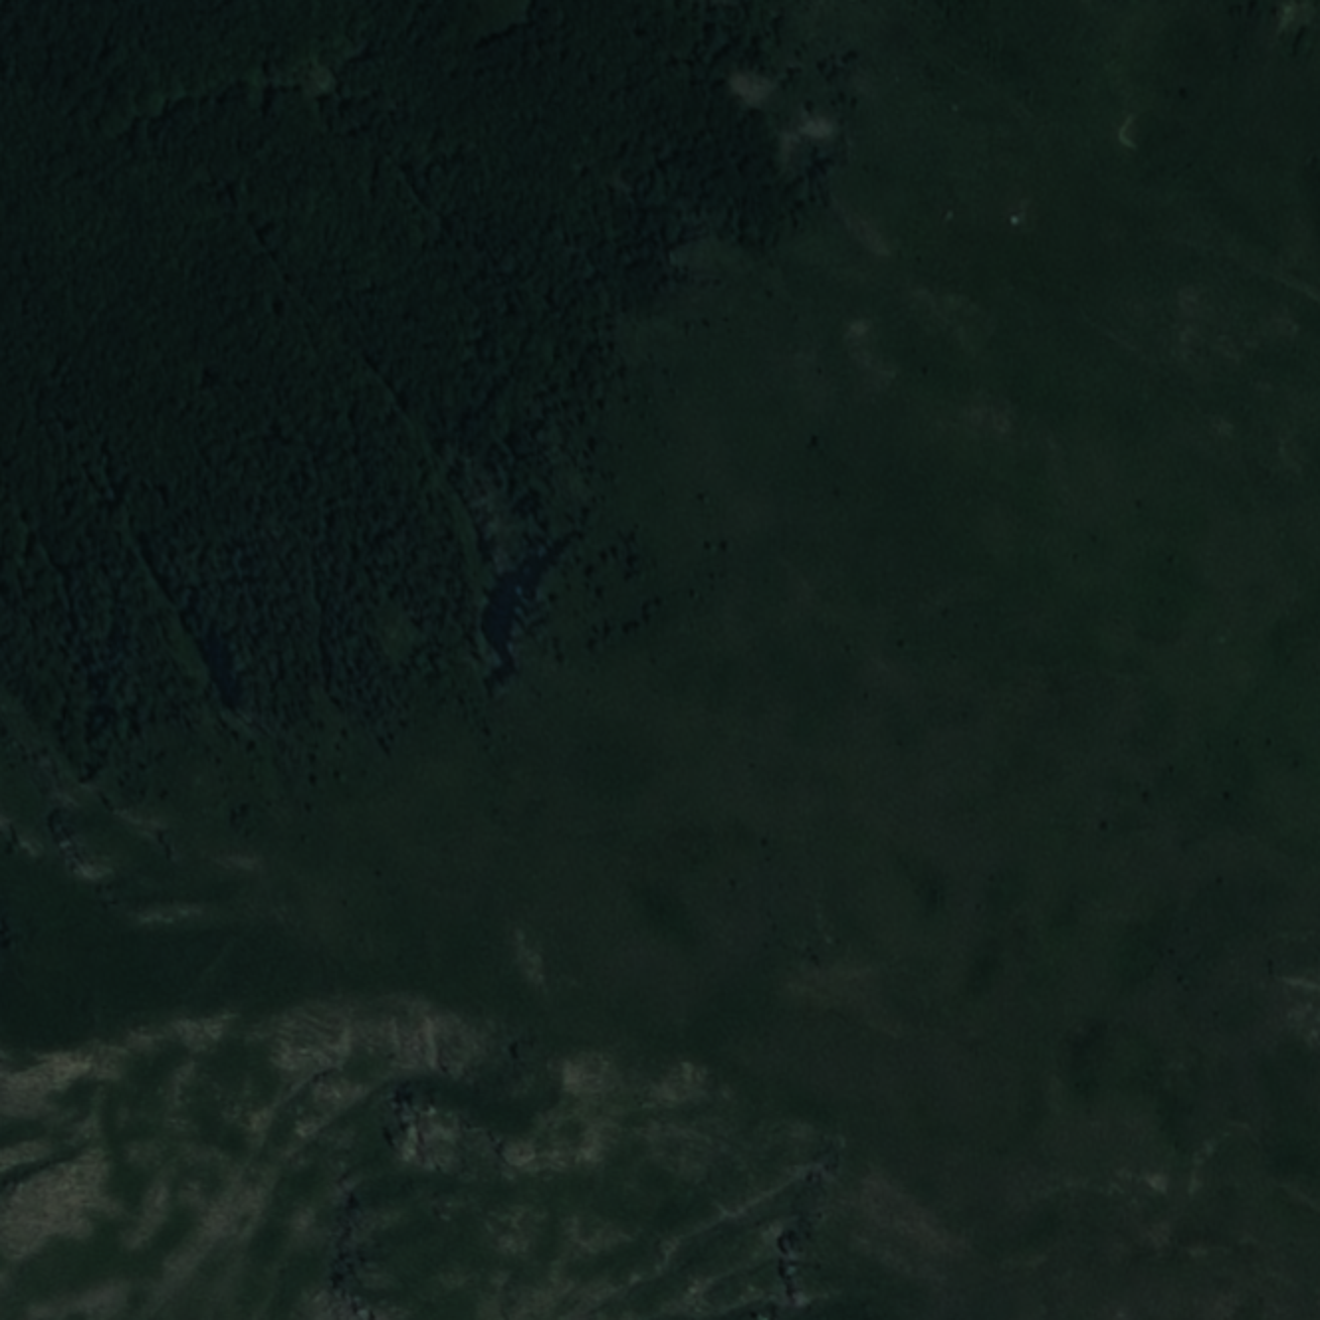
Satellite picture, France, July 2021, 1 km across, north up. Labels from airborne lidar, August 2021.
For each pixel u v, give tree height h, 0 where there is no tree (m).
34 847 0
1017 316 0
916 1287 0
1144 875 0
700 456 0
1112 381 0
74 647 11
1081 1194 0
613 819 0
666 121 15
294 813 0
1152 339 0
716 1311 0
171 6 22
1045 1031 0
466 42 15
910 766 0
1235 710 0
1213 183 0
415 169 22
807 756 0
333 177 20
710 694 0
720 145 15
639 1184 0
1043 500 0
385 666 12
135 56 22
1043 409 0
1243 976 0
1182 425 0
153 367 23
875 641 0
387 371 17
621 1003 0
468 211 24
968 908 0
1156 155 0
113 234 23
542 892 0
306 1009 0
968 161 0
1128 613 0
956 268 0
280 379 22
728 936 0
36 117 24
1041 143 0
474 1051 0
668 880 0
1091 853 0
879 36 0
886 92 0
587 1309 0
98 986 0
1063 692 0
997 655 0
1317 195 0
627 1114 0
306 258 20
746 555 0
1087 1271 0
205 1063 0
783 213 9
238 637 12
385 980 0
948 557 0
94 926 0
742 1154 0
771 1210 0
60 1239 0
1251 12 7
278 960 0
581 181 19
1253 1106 0
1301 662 0
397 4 18
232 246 24
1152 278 0
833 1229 0
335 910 0
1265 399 0
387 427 17
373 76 16
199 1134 0
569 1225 0
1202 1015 0
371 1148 0
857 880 0
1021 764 0
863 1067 0
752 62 8
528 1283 0
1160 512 0
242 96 15
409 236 24
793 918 0
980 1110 0
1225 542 0
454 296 22
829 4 0
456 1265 0
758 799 0
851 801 0
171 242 22
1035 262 0
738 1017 0
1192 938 0
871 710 0
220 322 22
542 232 15
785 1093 0
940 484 0
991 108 0
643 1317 0
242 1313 0
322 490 15
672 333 0
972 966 0
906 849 0
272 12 20
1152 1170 0
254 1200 0
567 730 0
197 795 0
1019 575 0
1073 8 0
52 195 24
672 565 0
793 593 0
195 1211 0
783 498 0
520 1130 0
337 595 13
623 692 0
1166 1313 0
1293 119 0
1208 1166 0
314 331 21
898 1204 0
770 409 0
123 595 8
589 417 10
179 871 0
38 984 0
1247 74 0
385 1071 0
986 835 0
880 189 0
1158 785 0
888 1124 0
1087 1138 0
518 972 0
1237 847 0
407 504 16
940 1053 0
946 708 0
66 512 20
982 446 0
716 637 0
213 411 18
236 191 21
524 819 0
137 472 23
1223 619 0
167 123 16
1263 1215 0
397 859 0
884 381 0
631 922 0
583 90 22
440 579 18
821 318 0
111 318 23
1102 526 0
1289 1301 0
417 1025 0
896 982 0
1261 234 0
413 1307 0
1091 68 0
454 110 19
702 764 0
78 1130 0
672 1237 0
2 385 25
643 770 0
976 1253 0
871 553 0
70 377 23
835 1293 0
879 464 0
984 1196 0
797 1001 0
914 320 0
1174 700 0
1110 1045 0
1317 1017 0
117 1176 0
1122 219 0
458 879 0
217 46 19
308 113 24
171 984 0
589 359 18
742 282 0
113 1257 0
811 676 0
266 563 14
